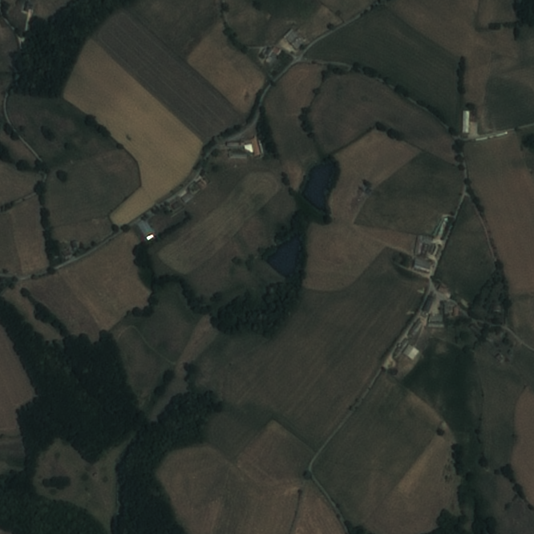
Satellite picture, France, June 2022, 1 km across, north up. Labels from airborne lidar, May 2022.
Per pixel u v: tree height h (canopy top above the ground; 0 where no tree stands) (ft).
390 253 0
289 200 0
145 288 0
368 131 21
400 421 0
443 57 0
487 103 0
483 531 37
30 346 63
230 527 0
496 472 35
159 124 0
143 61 0
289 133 0
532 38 0
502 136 0
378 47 0
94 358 64
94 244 45
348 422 0
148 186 0
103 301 0
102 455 53
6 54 0
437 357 0
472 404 0
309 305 0
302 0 0
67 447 0
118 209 0
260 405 0
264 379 0
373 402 0
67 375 55
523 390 0
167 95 0
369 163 0
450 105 0
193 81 0
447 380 0
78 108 0
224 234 0
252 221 0
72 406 58
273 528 0
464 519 52
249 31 0
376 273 0
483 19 0
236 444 0
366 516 0
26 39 33
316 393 0
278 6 0
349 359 0
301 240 42
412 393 0
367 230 0
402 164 0
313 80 0
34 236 0
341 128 0
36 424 84
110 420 74
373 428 0
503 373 0
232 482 0
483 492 0
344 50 0
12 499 53
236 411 0
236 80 0
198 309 57
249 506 0
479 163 0
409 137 0
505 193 0
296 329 0
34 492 64
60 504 54
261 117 28
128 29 0
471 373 0
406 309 0
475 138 0
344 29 0
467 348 29
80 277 0
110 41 0
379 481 0
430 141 0
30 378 45
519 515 0
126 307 0
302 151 0
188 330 0
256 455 0
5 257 0
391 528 0
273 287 51
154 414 0
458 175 0
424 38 0
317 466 0
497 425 0
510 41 0
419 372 0
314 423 0
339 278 0
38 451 67
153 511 66
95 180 0
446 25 0
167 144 0
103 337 45
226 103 0
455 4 0
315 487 0
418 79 0
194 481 0
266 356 0
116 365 48
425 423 0
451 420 0
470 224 0
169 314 0
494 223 0
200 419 50
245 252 0
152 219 0
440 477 0
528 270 0
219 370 0
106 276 0
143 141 0
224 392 0
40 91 51
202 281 0
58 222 0
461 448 40
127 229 54
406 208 0
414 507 0
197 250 0
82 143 0
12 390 0
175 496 0
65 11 55
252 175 0
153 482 43
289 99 0
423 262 0
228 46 0
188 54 0
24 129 35
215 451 0
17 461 0
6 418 0
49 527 51
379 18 0
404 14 0
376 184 0
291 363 0
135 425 64
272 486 0
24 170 35
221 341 0
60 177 45
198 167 27
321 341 0
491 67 0
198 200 0
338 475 0
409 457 0
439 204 0
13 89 42
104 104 0
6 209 31
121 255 0
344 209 0
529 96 0
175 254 0
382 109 0
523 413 0
